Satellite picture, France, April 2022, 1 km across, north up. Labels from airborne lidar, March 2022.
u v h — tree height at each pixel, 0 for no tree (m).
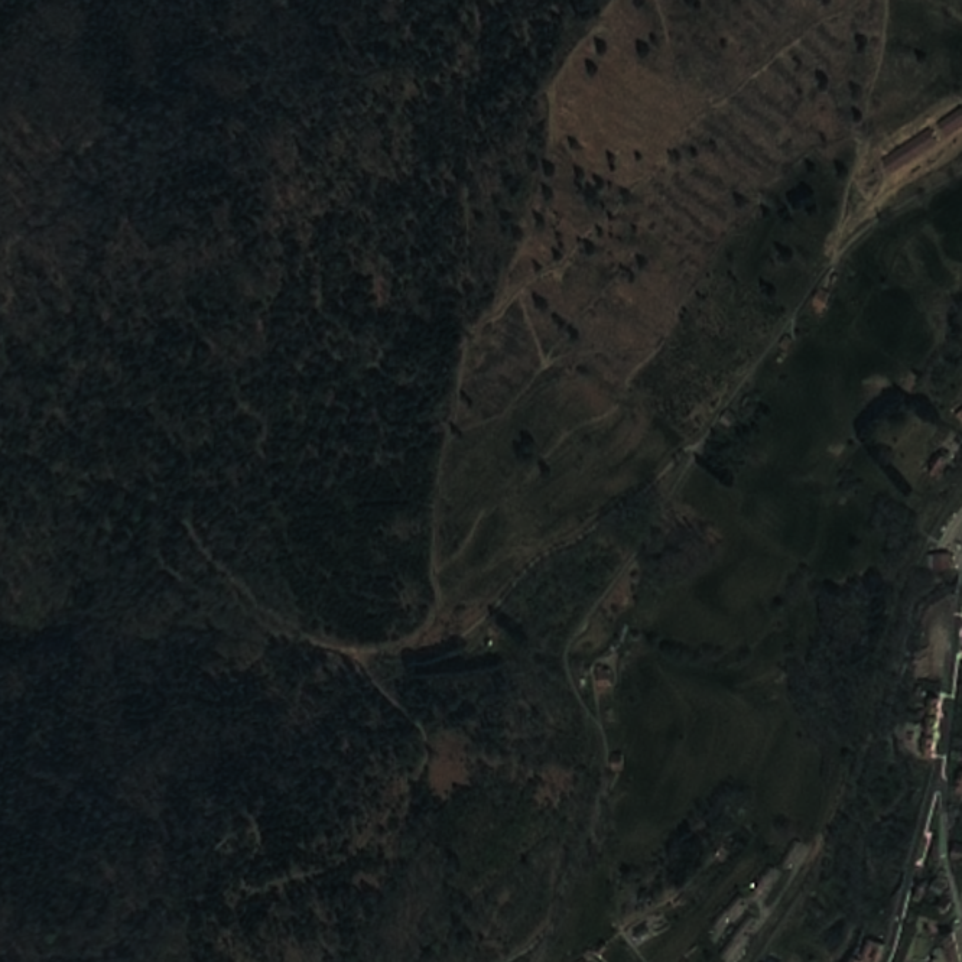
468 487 0
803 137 0
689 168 0
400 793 10
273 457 19
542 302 20
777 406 0
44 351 17
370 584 12
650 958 0
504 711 13
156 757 23
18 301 11
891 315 0
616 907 9
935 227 0
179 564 19
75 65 26
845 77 0
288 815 7
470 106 17
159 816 15
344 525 11
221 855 11
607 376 0
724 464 8
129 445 17
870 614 32
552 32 17
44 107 22
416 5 13
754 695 0
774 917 0
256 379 10
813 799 0
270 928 17
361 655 0
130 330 28
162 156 21
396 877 15
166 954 13
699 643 0
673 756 0
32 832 26
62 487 9
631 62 0
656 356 0
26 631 21
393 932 20
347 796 16
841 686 21
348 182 17
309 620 12
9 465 30
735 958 0
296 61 23
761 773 0
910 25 0
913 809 0
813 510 0
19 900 19
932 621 0
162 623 32
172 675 23
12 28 22
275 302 6
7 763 26
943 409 8
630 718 0
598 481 0
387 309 9
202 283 22
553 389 0
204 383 21
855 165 0
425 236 18
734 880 0
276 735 18
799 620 0
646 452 0
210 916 12
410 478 13
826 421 0
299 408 12
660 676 0
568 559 17
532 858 13
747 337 0
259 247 18
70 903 17
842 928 0
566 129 0
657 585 17
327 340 20
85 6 24
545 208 0
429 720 20
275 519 11
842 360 0
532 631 12
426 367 24
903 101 0
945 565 0
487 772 19
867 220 0
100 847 18
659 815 0
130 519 11
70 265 23
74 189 10
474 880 9
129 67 18
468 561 0
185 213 23
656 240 0
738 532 0
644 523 31
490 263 14
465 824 7
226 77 16
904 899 0
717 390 0
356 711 24
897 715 12
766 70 0
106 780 12
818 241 0
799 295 0
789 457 0
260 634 26
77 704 31
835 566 0
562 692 9
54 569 27
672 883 12
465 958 14
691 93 0
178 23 21
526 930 9
